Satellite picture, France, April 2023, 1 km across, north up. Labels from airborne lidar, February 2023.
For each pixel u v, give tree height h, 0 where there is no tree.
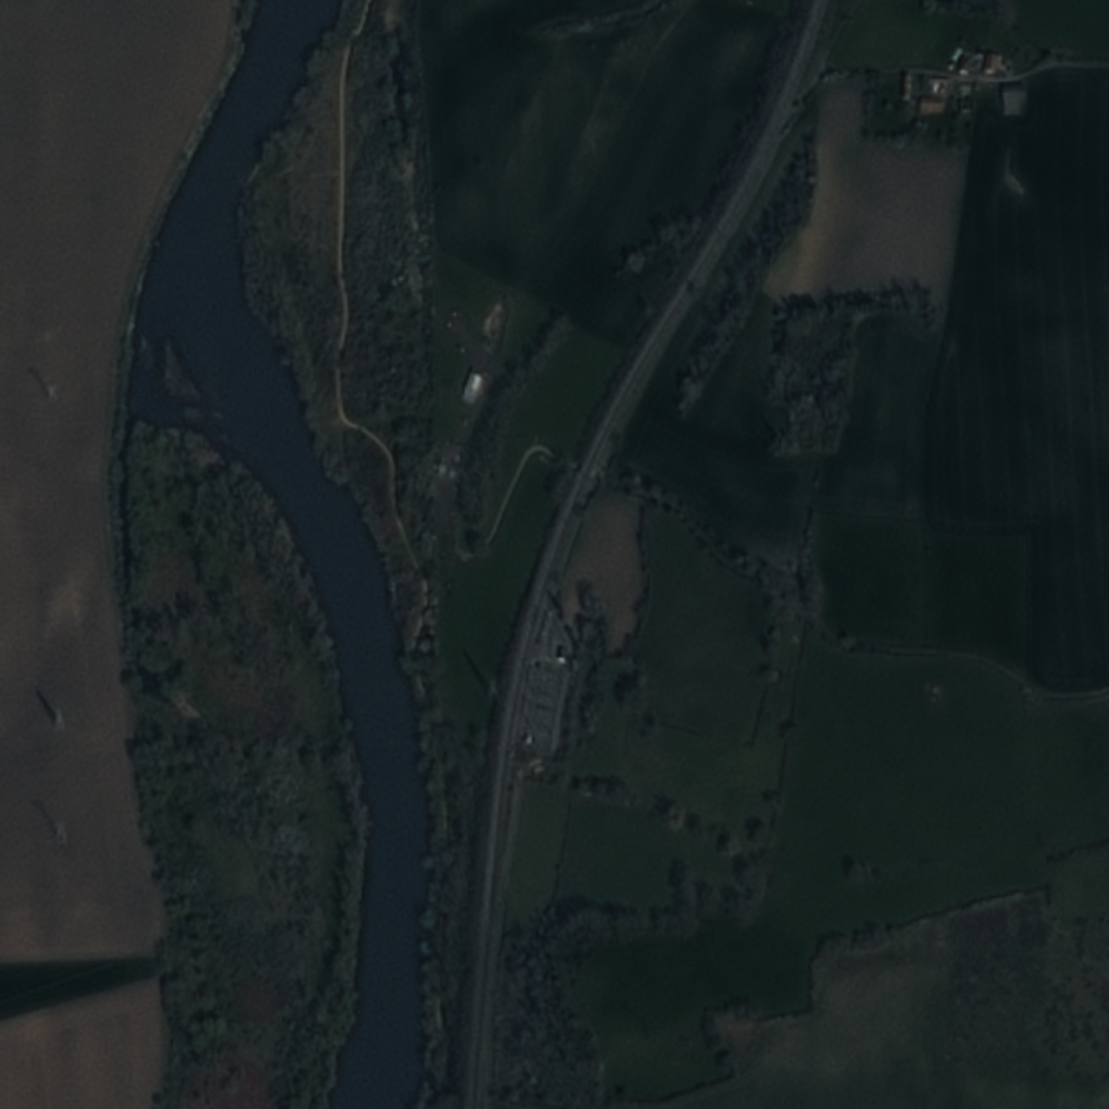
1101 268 0
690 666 0
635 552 0
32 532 0
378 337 12
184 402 0
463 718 0
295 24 0
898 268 0
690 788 0
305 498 0
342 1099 0
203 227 0
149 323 0
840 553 0
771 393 18
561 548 0
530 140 0
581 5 0
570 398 0
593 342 0
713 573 0
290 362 19
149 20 0
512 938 6
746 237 0
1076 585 0
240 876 0
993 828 0
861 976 0
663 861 0
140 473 11
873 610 0
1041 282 0
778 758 0
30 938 0
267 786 15
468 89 0
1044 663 0
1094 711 0
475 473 25
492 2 0
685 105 0
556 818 0
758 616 0
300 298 6
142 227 0
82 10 0
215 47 0
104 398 0
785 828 0
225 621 28
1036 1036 0
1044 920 0
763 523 0
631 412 0
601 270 0
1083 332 0
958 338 0
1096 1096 0
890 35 0
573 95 0
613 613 0
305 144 0
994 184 0
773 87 11
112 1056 0
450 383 0
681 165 0
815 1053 0
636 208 0
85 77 0
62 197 0
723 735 0
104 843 0
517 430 0
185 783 12
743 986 0
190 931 12
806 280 0
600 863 0
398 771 0
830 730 0
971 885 0
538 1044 22
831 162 0
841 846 0
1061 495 0
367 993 0
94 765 0
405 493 6
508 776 0
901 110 10
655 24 0
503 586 0
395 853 0
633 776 0
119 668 0
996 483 0
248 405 0
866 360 0
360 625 0
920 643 0
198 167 0
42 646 0
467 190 0
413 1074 0
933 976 0
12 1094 0
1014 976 0
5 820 0
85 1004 0
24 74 0
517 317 0
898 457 0
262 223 21
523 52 0
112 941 0
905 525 0
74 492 0
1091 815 0
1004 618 0
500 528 0
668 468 0
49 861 0
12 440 0
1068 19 0
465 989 8
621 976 0
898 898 0
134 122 0
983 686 0
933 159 0
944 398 0
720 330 25
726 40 0
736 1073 11
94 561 0
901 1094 0
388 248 6
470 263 0
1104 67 0
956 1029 0
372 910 0
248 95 0
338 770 25
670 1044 0
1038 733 0
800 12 6
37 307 0
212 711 0
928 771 0
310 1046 20
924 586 0
